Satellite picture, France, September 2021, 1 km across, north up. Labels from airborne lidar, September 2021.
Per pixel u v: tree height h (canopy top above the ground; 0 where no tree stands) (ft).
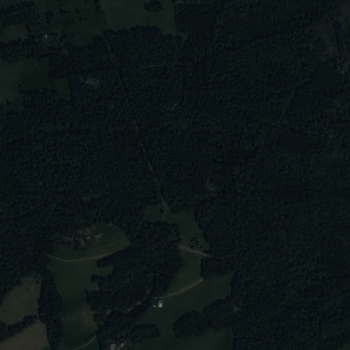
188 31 26
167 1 0
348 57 0
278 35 80
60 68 21
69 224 85
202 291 0
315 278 56
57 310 73
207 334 0
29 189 104
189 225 0
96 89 73
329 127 46
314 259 71
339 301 99
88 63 64
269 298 95
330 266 82
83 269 0
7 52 85
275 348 59
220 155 20
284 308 24
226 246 54
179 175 100
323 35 0
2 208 59
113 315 64
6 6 0
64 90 0
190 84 37
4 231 90
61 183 73
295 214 73
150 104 103
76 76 106
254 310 86
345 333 28
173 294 0
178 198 76
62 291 0
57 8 0
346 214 63
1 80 0
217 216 85
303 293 40
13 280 72
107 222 78
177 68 55
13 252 77
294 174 56
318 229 59
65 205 54
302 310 72
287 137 96
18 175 116
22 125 99
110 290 51
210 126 52
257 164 73
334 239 75
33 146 68
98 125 79
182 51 46
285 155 46
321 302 81
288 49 75
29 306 0
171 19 0
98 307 60
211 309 57
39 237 66
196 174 98
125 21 0
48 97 56
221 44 65
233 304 73
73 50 29
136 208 55
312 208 73
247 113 88
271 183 76
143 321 0
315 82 38
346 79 29
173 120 55
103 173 96
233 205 100
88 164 100
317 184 63
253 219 66
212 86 74
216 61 79
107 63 30
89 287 0
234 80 80
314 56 31
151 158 77
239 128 70
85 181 78
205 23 29
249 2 74
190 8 30
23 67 0
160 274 27
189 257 0
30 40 58
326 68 32
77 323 0
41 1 0
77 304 0
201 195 94
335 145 49
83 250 30
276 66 31
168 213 0
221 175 73
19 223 101
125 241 0
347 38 91
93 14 0
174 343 0
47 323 62
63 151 108
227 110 70
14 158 82
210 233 89
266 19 51
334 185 55
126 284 64
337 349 63
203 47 64
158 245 85
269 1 74
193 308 0
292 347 42
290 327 70
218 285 0
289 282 82
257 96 87
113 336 56
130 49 72
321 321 72
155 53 94
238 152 27
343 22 0
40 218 111
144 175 92
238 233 91
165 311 0
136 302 64
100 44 88
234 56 65
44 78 0
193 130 45
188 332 64
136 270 80
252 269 73
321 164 25
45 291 85
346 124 52
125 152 80
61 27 0
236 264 92
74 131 64
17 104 0
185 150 106
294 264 82
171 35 0
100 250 0
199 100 46
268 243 86
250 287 85
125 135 69
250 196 101
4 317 0
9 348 0
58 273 0
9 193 71
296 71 56
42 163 53
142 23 0
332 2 86
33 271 76
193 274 0
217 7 20
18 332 59
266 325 85
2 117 91
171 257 81
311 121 45
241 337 64
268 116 87
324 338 28
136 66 73
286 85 87
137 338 70
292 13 25
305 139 89
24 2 0
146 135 79
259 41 89
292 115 68
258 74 74
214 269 68
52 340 72
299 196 77
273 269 92
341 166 39
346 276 28
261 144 63
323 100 97
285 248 69
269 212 71
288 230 70
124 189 90
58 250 0
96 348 0
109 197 82
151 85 30
